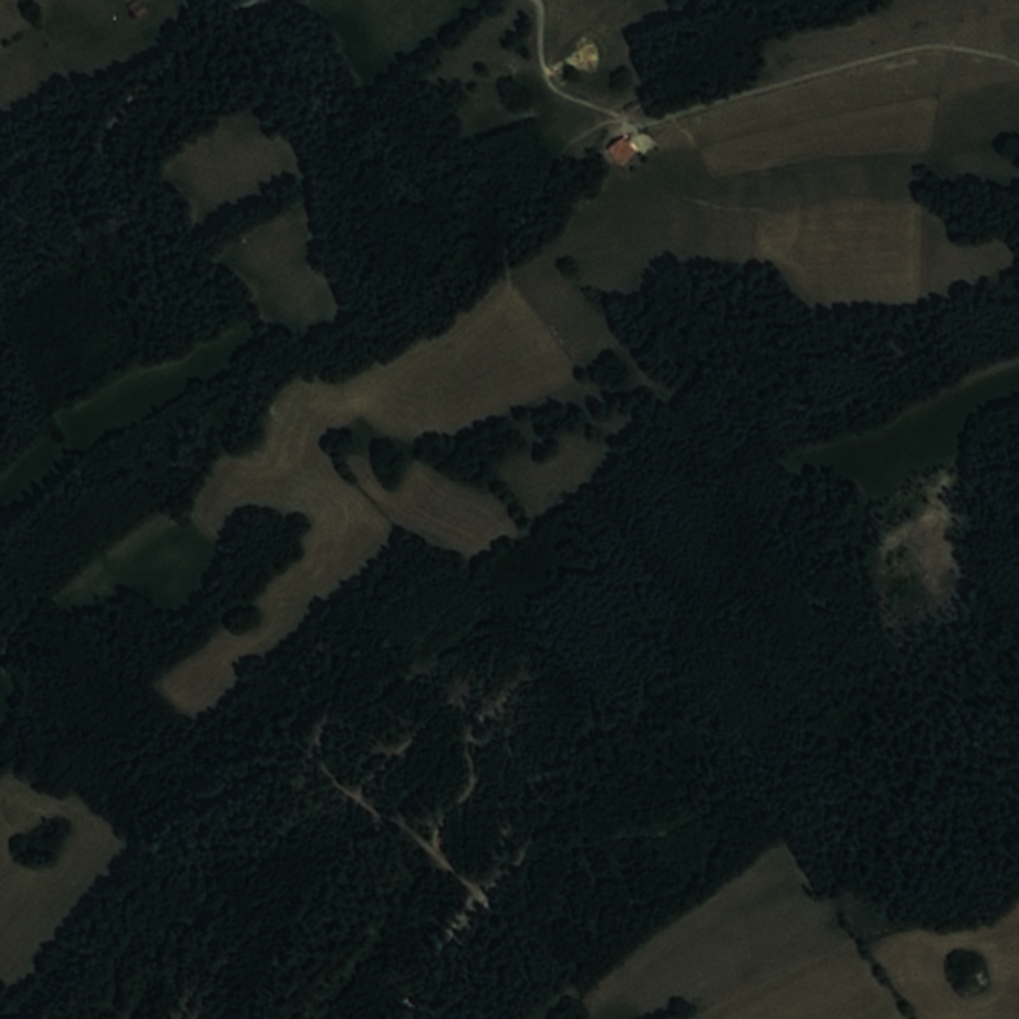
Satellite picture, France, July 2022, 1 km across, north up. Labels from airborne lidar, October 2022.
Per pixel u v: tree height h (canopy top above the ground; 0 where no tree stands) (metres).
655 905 16
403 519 0
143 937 16
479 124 0
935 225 0
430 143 20
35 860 19
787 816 23
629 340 22
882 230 0
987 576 24
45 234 24
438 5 0
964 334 23
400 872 32
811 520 27
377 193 19
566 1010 18
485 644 12
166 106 26
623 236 0
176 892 16
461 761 12
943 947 0
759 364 17
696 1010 11
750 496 23
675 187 0
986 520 15
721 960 0
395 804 14
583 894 21
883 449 0
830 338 21
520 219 8
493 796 9
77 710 25
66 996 15
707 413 22
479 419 0
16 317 12
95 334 6
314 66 35
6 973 0
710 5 16
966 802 29
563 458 0
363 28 0
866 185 0
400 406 0
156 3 0
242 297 26
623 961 8
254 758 33
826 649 17
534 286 0
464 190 26
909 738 13
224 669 0
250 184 0
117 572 0
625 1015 0
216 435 8
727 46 14
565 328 0
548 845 7
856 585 33
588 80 0
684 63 12
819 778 18
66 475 28
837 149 0
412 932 16
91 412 0
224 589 22
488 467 21
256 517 20
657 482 24
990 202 26
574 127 0
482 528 0
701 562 23
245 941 6
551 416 20
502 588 9
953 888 24
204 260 25
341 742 15
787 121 0
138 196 22
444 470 16
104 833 0
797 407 24
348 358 21
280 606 0
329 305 0
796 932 0
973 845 23
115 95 14
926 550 0
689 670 20
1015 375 0
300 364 23
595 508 28
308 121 27
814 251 0
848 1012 0
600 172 9
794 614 21
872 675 23
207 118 18
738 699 21
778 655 19
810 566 19
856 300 0
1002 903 22
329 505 0
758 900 0
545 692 14
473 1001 27
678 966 0
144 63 19
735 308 28
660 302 20
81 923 24
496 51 0
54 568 17
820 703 20
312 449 0
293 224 0
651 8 0
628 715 34
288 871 22
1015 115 0
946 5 0
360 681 18
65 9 0
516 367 0
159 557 0
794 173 0
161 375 0
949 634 28
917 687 19
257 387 26
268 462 0
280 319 0
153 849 27
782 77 0
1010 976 0
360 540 0
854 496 20
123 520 13
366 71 0
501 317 0
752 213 0
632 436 22
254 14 13
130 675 22
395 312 24
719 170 0
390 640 6
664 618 28
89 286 8
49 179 23
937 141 0
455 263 9
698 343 19
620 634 29
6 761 21
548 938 21
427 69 16
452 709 10
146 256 30
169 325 21
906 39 0
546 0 0
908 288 0
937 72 0
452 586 6
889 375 20
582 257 0
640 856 15
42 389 10
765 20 13
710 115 0
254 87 25
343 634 14
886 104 0
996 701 8
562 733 9
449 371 0
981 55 0
